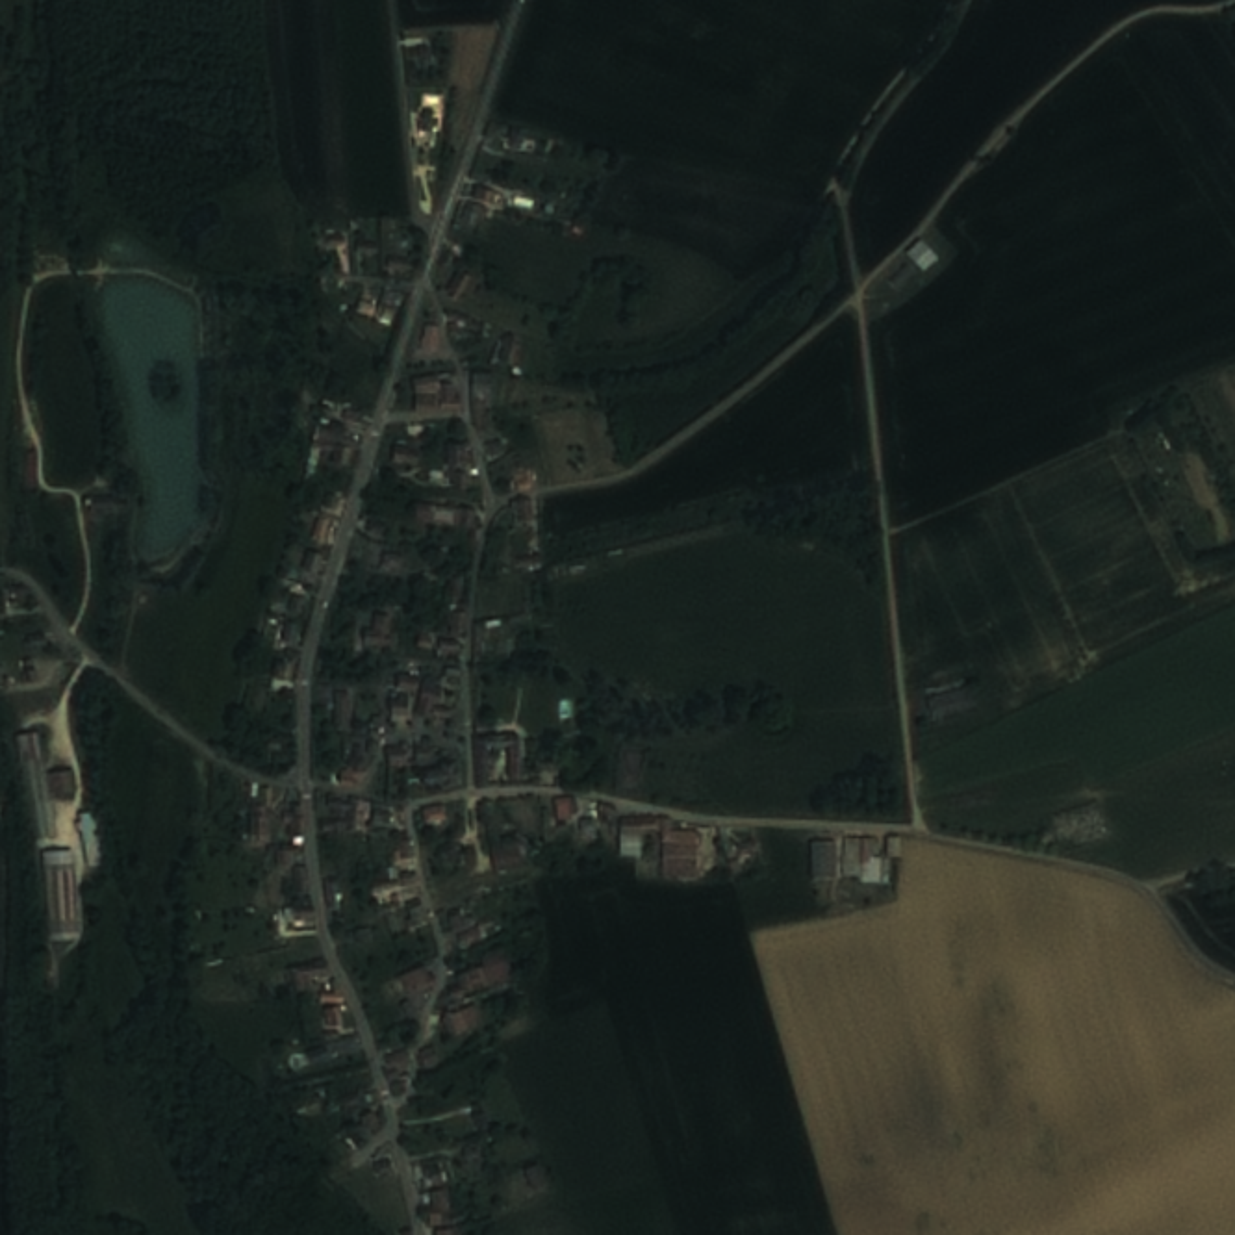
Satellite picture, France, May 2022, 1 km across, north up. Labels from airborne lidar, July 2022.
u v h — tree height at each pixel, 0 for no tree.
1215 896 8
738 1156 0
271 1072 0
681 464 0
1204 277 0
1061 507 0
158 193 9
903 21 0
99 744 24
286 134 0
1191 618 0
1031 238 0
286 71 0
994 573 0
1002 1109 0
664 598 0
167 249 0
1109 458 0
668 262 0
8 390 0
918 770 0
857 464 0
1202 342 0
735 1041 0
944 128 0
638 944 0
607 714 21
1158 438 0
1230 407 0
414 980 0
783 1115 0
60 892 0
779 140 0
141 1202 0
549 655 9
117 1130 0
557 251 0
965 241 0
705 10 0
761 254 0
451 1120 0
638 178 0
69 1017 11
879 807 28
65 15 17
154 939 7
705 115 0
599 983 0
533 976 12
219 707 0
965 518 0
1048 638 0
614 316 0
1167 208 0
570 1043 0
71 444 0
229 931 7
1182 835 0
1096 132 0
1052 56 0
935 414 0
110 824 16
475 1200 10
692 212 0
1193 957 0
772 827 0
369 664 8
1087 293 0
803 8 0
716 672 0
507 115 0
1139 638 0
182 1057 22
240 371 24
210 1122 16
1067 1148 0
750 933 0
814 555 0
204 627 0
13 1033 24
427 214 0
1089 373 0
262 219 0
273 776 9
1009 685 0
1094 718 0
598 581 0
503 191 0
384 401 0
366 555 0
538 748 10
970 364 0
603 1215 0
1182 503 0
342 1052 0
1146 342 0
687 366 13
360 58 0
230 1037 0
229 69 13
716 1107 0
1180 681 0
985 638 0
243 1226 23
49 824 0
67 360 0
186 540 0
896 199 0
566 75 0
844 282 12
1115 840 0
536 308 7
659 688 0
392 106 0
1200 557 12
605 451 0
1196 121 0
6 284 14
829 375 0
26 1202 21
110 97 9
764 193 0
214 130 21
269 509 0
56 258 0
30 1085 19
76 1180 24
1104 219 0
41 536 0
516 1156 0
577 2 0
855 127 0
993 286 0
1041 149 0
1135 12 0
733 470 0
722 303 0
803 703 0
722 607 0
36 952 22
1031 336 0
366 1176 0
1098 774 0
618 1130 0
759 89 0
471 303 0
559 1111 0
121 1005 0
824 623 0
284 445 22
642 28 0
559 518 0
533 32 0
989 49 0
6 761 20
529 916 9
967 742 0
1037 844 9
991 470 0
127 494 13
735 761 0
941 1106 0
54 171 18
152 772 0
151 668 0
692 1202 0
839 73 0
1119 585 0
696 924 0
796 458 0
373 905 8
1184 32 0
